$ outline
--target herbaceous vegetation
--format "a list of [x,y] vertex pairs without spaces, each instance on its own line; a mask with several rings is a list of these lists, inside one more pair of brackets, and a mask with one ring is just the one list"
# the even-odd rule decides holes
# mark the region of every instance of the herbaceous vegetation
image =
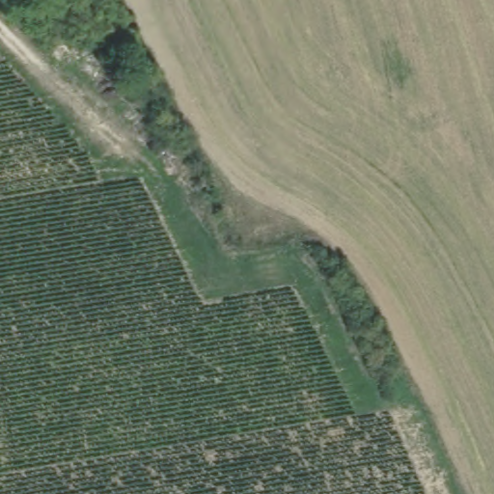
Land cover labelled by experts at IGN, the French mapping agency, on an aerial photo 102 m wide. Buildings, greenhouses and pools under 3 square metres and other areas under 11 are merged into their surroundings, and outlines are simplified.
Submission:
[[436,428],[434,417],[419,392],[419,386],[413,382],[409,370],[405,367],[399,355],[398,345],[388,328],[388,322],[382,316],[365,332],[363,345],[357,347],[355,343],[349,342],[351,332],[347,332],[343,326],[342,315],[330,295],[330,289],[324,286],[324,276],[318,272],[315,259],[309,253],[301,255],[299,251],[305,239],[320,239],[316,232],[305,228],[295,216],[289,216],[284,210],[257,203],[245,197],[243,193],[235,191],[228,178],[218,168],[214,168],[212,178],[220,191],[222,210],[228,216],[228,222],[235,228],[235,232],[241,233],[241,237],[245,239],[259,237],[257,247],[261,251],[251,251],[245,257],[230,259],[218,249],[212,230],[208,226],[203,226],[187,206],[181,187],[189,185],[191,178],[189,168],[181,160],[174,152],[166,149],[154,152],[147,149],[147,139],[139,114],[145,106],[145,100],[133,104],[127,100],[127,96],[120,95],[118,85],[110,81],[106,73],[102,73],[98,60],[89,50],[77,50],[69,48],[68,44],[58,44],[54,50],[44,52],[41,56],[50,68],[35,77],[29,83],[29,89],[33,89],[35,93],[27,98],[27,104],[41,102],[44,110],[52,112],[54,122],[68,125],[69,135],[75,139],[77,147],[87,152],[87,158],[93,164],[93,172],[98,183],[133,176],[139,179],[158,216],[162,232],[166,233],[172,249],[176,249],[183,272],[187,274],[187,282],[199,297],[199,301],[203,305],[218,305],[222,303],[224,295],[237,295],[259,289],[291,289],[299,307],[305,309],[305,305],[309,303],[311,311],[320,318],[320,330],[316,330],[316,338],[322,345],[330,369],[338,376],[338,382],[347,396],[349,405],[357,413],[369,413],[378,409],[394,411],[398,407],[413,409],[411,419],[413,423],[423,423],[421,432],[428,440],[426,448],[434,453],[436,467],[444,471],[444,480],[450,494],[465,494],[457,479],[452,459],[444,446],[444,440]]

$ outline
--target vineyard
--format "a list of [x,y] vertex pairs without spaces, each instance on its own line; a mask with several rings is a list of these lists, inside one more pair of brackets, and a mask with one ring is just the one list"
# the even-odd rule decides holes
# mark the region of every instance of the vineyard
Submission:
[[444,480],[444,471],[436,467],[434,453],[426,448],[428,440],[421,432],[423,423],[413,423],[411,419],[413,409],[398,407],[394,411],[378,409],[369,413],[357,413],[349,405],[347,396],[338,382],[338,376],[330,369],[322,345],[316,338],[316,330],[320,330],[320,318],[311,311],[309,303],[305,305],[305,309],[299,307],[291,289],[259,289],[237,295],[224,295],[222,303],[218,305],[203,305],[199,301],[199,297],[187,282],[187,274],[183,272],[176,249],[172,249],[166,233],[162,232],[158,216],[139,179],[133,176],[98,183],[93,172],[93,164],[87,158],[87,152],[77,147],[75,139],[69,135],[68,125],[54,122],[52,112],[44,110],[41,102],[27,104],[27,98],[35,93],[33,89],[29,89],[29,83],[35,77],[29,73],[23,62],[15,58],[14,52],[10,52],[0,41],[0,494],[450,494]]

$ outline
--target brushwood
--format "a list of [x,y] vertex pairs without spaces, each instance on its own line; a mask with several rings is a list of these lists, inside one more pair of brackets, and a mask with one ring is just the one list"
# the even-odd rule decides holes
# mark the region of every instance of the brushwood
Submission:
[[251,251],[261,251],[257,247],[259,237],[245,239],[241,237],[241,233],[235,232],[235,228],[228,222],[228,216],[222,210],[220,191],[212,178],[214,168],[201,147],[181,160],[189,168],[191,178],[189,185],[181,187],[187,206],[203,226],[208,226],[212,230],[218,249],[230,259],[245,257]]
[[330,289],[330,295],[342,315],[343,326],[347,332],[351,332],[349,342],[355,343],[357,347],[363,345],[365,332],[382,316],[367,291],[367,286],[359,282],[342,249],[334,249],[320,239],[305,239],[299,251],[301,255],[309,253],[315,259],[318,272],[324,276],[324,286]]

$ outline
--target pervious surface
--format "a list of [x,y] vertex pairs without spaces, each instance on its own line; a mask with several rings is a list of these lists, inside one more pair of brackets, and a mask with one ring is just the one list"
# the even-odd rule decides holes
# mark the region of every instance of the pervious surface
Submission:
[[29,73],[35,77],[50,68],[41,56],[0,17],[0,41],[10,52],[14,52],[15,58],[23,62]]

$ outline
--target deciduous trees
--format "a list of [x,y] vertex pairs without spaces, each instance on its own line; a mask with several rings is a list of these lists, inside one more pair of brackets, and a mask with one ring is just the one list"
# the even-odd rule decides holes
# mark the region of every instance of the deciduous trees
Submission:
[[133,104],[145,100],[145,106],[139,114],[147,139],[147,149],[154,152],[166,149],[174,152],[181,160],[201,147],[193,125],[185,120],[174,100],[174,93],[164,77],[164,71],[158,66],[151,48],[139,35],[139,25],[135,21],[133,10],[123,0],[0,0],[0,17],[41,56],[44,52],[54,50],[58,44],[68,44],[69,48],[77,50],[89,50],[98,60],[102,73],[106,73],[110,81],[118,85],[120,95],[127,96],[127,100]]

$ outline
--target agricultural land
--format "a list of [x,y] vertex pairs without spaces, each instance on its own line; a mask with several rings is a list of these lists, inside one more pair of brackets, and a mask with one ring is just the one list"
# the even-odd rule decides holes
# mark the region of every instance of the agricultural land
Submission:
[[245,197],[257,203],[284,210],[289,216],[295,216],[305,228],[316,232],[320,239],[334,249],[342,249],[359,282],[367,286],[367,291],[382,316],[388,322],[388,328],[398,345],[399,355],[405,367],[409,370],[413,382],[419,386],[419,392],[434,417],[436,428],[444,440],[444,446],[452,459],[457,479],[465,494],[494,494],[494,0],[123,0],[133,10],[135,21],[139,25],[139,35],[151,48],[158,66],[164,71],[164,77],[174,93],[174,100],[185,120],[193,125],[201,147],[214,168],[218,168],[228,178],[235,191],[243,193]]

